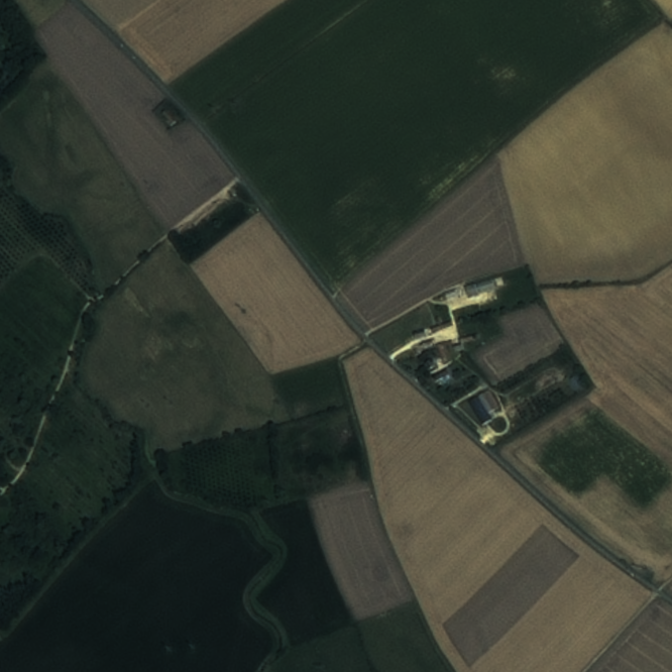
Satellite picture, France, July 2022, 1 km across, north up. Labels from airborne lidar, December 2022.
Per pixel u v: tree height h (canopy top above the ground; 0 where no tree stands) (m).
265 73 0
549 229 0
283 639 0
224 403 0
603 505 0
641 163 0
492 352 0
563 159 0
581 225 0
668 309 0
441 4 0
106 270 0
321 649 0
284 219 0
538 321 0
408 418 0
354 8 0
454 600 0
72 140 0
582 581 0
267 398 0
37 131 0
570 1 0
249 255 0
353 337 0
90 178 0
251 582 0
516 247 0
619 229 0
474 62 0
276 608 0
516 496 0
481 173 0
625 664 0
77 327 0
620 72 0
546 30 0
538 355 0
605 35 0
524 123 0
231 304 0
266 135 0
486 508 0
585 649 0
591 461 0
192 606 0
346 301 0
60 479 0
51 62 0
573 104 0
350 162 0
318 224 0
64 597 0
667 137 0
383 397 0
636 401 0
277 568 0
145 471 26
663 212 0
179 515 0
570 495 0
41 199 0
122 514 0
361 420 0
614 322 0
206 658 0
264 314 0
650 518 0
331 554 0
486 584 0
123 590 0
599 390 0
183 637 0
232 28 0
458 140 0
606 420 0
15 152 0
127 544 0
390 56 0
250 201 0
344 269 0
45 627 0
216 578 0
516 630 0
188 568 0
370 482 0
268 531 0
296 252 0
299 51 0
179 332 0
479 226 0
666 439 0
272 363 0
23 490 8
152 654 0
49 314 0
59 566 6
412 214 0
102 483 0
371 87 0
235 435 6
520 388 0
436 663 0
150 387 0
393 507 0
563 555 0
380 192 0
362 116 0
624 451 0
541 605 0
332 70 0
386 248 0
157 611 0
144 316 0
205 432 0
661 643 0
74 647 0
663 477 0
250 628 0
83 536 21
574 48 0
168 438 0
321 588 0
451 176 0
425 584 0
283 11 0
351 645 0
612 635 0
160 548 0
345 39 0
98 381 0
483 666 0
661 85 0
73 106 0
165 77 0
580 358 0
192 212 0
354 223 0
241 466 0
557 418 0
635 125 0
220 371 0
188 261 12
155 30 0
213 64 0
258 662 0
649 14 0
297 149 0
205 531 0
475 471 0
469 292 0
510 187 0
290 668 0
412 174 0
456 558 0
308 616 0
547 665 0
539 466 0
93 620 0
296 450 0
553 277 0
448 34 0
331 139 0
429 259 0
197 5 0
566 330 0
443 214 0
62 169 0
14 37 10
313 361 0
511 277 0
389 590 0
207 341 0
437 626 0
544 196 0
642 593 0
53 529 6
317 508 0
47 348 0
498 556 0
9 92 12
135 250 0
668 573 0
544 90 0
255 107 0
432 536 0
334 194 0
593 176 0
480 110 0
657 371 0
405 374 0
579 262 0
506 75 0
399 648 0
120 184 0
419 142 0
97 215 0
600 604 0
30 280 0
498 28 0
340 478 0
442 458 0
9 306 0
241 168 0
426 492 0
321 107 0
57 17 0
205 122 0
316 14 0
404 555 0
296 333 0
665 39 0
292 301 0
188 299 0
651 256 0
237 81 0
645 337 0
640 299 0
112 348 0
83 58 0
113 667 0
